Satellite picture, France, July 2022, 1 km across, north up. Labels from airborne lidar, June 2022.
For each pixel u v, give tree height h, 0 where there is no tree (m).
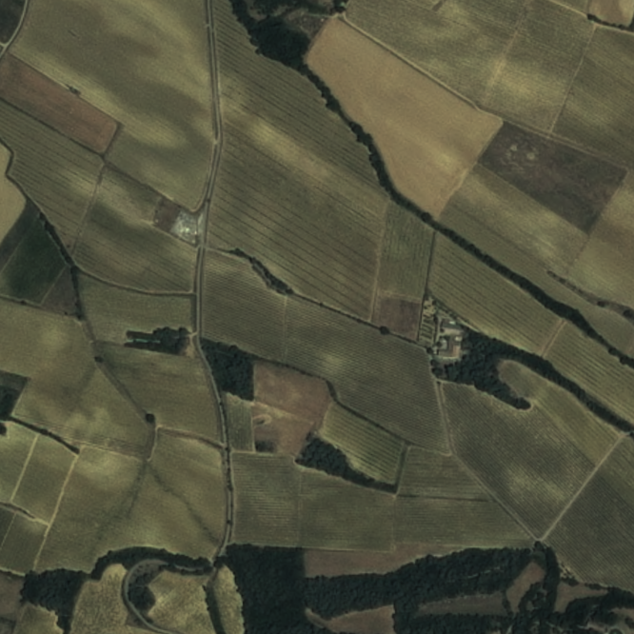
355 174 0
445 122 0
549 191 0
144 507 0
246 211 0
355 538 0
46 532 0
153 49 0
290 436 0
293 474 0
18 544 0
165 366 0
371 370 0
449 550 0
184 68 0
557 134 0
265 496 0
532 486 0
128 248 0
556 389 0
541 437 0
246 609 12
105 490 0
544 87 0
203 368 0
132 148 0
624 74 0
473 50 0
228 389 10
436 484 0
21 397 0
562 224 0
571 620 15
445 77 0
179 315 0
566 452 0
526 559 11
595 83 0
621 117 0
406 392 0
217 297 0
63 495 0
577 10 0
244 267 0
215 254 0
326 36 0
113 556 10
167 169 0
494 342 10
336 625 0
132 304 0
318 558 0
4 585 0
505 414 0
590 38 0
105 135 0
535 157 0
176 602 0
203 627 0
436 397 0
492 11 0
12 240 0
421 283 0
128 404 0
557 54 0
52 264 0
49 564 0
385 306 0
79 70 0
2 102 0
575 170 0
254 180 0
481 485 0
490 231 0
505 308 0
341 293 0
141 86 0
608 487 0
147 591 7
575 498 0
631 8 0
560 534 0
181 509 0
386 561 0
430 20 0
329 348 0
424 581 9
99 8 0
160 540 0
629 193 0
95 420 0
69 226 0
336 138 0
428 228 0
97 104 0
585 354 0
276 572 7
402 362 0
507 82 0
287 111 0
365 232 0
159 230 0
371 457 0
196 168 0
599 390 0
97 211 0
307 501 0
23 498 0
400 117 0
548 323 0
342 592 8
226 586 0
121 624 0
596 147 0
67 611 10
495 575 6
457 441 0
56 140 0
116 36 0
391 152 0
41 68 0
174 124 0
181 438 0
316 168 0
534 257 0
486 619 10
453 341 0
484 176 0
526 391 0
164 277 0
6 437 0
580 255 0
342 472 14
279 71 0
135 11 0
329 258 0
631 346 0
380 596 14
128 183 0
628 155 0
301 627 15
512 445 0
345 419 0
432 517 0
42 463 0
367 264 0
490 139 0
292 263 0
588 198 0
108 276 0
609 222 0
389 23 0
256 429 0
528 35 0
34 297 0
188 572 9
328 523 0
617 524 0
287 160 0
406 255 0
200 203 0
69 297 0
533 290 9
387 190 7
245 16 17
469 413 0
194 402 0
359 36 0
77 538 0
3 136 0
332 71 0
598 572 0
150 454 0
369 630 0
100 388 0
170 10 0
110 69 0
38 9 0
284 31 19
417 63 0
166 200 0
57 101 0
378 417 0
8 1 0
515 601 0
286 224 0
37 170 0
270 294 0
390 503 0
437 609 0
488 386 14
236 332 0
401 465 0
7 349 0
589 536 0
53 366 0
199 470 0
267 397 0
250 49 0
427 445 0
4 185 0
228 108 0
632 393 0
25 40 0
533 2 0
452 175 0
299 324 0
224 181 0
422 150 0
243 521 0
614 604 13
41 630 0
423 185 0
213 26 0
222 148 0
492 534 0
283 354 0
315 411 0
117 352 0
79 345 0
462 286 0
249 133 0
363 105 0
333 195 0
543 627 12
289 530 0
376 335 0
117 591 0
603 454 0
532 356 13
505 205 0
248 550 7
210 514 0
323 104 0
